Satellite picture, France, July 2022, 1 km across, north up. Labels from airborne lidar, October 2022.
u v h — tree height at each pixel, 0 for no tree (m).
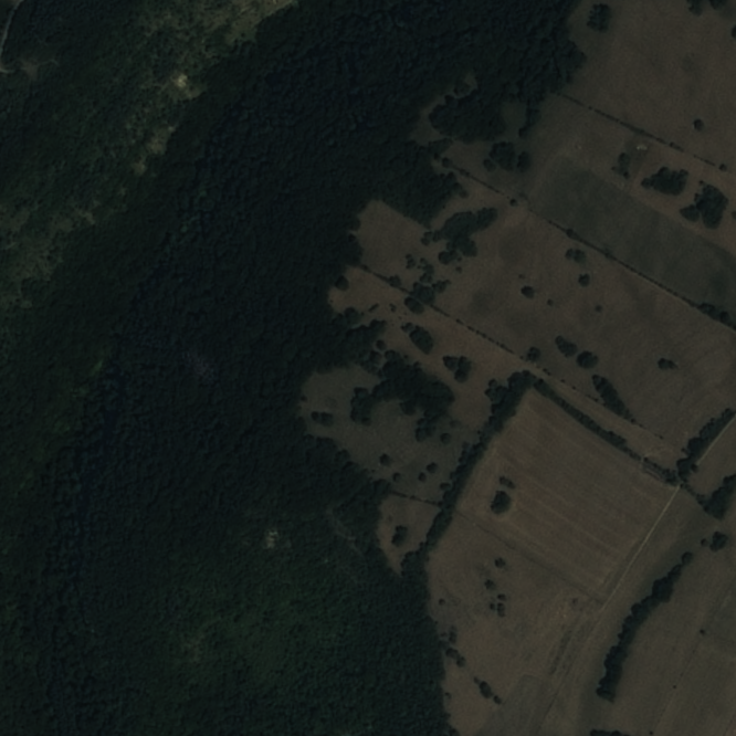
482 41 30
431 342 9
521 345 0
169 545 15
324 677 12
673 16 0
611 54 0
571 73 15
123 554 21
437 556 0
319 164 30
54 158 8
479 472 0
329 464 13
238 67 18
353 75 25
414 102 25
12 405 30
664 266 0
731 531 0
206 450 26
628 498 0
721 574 0
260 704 22
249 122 34
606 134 0
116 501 26
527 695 0
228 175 34
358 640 14
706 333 0
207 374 24
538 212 0
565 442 0
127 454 25
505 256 0
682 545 0
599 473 0
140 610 18
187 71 7
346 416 0
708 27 0
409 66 26
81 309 19
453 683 0
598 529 0
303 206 30
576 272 0
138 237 22
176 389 33
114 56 6
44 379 23
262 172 33
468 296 0
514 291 0
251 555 13
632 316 0
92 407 34
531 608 0
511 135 0
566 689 0
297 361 20
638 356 0
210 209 32
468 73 18
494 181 0
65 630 11
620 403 10
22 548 25
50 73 6
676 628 0
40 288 7
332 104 36
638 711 0
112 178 10
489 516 0
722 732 0
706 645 0
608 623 0
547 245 0
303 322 26
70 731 31
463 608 0
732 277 0
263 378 23
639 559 0
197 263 28
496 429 14
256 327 38
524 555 0
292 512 11
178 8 6
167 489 25
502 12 19
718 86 0
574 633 0
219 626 8
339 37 27
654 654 0
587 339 0
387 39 35
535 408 0
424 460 0
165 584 14
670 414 0
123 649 25
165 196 22
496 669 0
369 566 8
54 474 17
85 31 11
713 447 0
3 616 23
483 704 0
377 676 14
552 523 0
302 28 20
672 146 7
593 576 0
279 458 14
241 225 38
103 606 18
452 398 10
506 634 0
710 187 6
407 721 14
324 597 9
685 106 0
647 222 0
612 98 0
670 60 0
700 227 0
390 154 23
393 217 0
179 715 9
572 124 0
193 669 6
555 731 0
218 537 14
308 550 9
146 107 15
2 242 14
